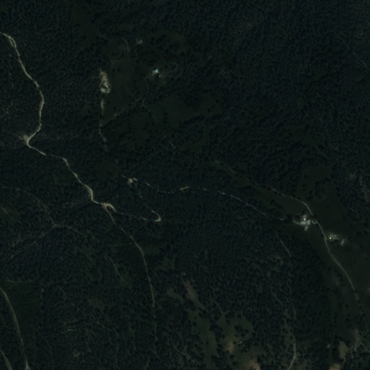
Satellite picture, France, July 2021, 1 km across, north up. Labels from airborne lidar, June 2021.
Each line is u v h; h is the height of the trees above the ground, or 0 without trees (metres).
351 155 21
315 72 10
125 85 0
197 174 15
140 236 9
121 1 18
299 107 25
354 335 0
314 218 9
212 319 18
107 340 28
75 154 20
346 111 24
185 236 25
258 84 21
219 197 23
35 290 9
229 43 22
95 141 10
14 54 17
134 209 27
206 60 20
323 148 25
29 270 13
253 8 18
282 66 22
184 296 21
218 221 6
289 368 0
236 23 19
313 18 22
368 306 0
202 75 22
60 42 21
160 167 22
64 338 12
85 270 21
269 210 6
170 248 26
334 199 0
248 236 26
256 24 8
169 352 12
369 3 6
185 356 9
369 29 12
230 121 10
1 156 18
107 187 26
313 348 11
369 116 22
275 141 9
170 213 22
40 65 8
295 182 10
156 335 9
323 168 0
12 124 15
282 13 13
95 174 20
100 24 23
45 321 18
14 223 0
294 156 25
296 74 27
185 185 18
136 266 8
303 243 6
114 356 17
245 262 25
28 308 7
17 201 17
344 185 11
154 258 9
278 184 11
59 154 22
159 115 0
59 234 8
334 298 0
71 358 13
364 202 16
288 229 0
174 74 12
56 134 12
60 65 22
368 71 22
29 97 14
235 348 0
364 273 0
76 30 13
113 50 0
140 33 6
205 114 0
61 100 15
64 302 15
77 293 21
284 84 21
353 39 22
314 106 26
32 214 21
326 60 13
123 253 7
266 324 16
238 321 0
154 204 21
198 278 19
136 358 23
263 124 15
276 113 27
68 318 10
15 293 6
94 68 19
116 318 9
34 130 17
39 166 18
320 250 0
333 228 0
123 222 21
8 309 19
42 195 19
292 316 19
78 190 16
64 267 20
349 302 0
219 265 25
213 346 0
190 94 16
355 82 26
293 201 0
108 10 8
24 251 7
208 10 15
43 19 14
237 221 20
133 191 22
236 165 8
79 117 15
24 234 15
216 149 16
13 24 22
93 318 16
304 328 20
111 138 15
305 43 23
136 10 8
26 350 8
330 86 10
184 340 9
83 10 12
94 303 0
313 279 14
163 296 18
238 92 21
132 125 8
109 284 19
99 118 7
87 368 21
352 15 18
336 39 24
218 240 22
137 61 8
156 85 7
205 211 24
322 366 15
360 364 15
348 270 0
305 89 18
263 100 21
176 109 0
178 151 22
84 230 22
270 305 22
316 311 8
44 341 24
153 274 24
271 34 23
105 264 20
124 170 19
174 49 8
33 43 15
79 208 9
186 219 21
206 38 16
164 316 7
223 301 18
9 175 20
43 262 14
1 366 20
